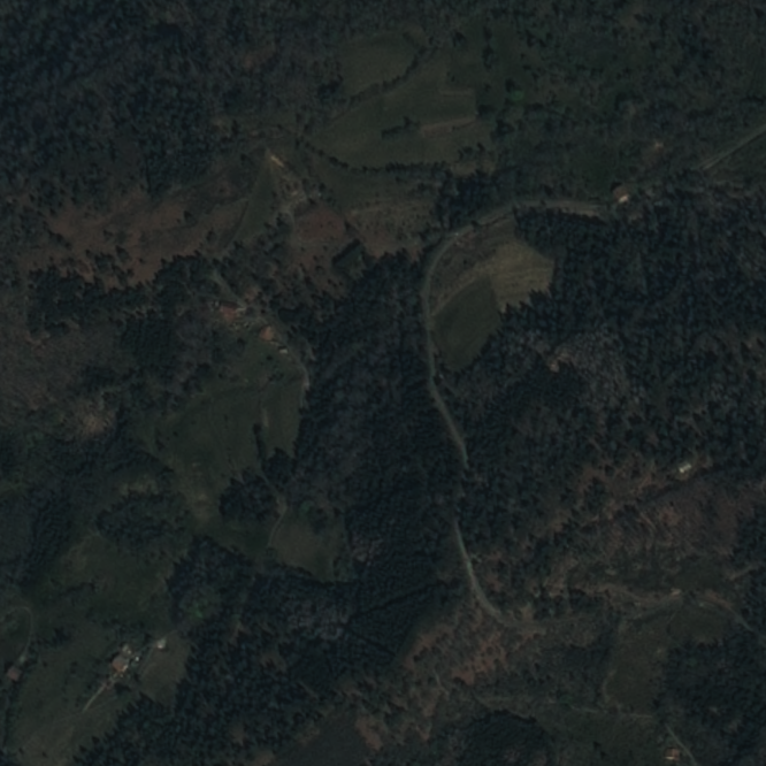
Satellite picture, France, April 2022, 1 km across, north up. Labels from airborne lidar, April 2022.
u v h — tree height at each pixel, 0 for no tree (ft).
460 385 54
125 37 93
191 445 0
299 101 40
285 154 0
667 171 38
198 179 47
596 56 0
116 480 60
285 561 0
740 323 77
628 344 23
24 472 73
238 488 58
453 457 52
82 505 66
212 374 84
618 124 48
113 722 0
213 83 44
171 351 70
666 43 23
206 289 55
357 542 74
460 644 42
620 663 0
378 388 21
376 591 76
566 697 76
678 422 40
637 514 68
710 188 85
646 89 32
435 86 0
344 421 68
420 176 52
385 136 31
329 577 0
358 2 47
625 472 24
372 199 0
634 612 72
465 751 83
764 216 39
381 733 58
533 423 47
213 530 0
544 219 42
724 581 65
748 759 85
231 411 0
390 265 30
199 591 106
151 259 0
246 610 29
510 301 0
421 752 53
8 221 46
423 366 52
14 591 63
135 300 55
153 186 51
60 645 35
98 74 90
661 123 73
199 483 0
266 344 0
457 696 50
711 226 45
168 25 0
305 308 54
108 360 98
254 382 0
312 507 76
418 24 46
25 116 48
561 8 36
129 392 73
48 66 31
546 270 0
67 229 0
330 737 0
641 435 40
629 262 30
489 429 79
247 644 58
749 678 81
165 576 0
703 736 34
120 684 0
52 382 84
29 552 66
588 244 68
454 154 0
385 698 30
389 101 0
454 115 0
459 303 0
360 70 0
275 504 67
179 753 24
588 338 78
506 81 0
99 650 0
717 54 37
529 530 20
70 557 0
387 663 73
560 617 52
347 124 0
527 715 61
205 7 61
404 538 70
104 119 53
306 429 55
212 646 52
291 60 71
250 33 70
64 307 65
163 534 57
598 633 53
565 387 52
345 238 0
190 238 0
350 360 68
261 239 0
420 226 0
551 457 52
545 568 23
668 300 81
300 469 69
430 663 43
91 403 70
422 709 21
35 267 22
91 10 77
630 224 49
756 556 47
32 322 68
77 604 35
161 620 0
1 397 73
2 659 0
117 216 0
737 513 55
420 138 0
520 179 65
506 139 69
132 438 75
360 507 27
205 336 72
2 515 78
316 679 29
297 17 19
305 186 36
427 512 61
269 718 44
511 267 0
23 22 21
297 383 0
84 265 31
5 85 63
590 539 78
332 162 29
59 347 72
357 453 63
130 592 0
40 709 0
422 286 20
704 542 88
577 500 21
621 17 24
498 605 29
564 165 39
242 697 40
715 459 64
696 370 55
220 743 36
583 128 25
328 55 87
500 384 40
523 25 44
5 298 39
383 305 49
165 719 47
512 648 18
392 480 31
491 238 0
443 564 87
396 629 75
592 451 45
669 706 74
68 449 85
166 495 39
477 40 0
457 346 0
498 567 19
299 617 82
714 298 47
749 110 50
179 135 42
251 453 0
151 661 0
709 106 0
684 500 67
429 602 67
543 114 65
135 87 77
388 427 44
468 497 32
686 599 0
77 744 0
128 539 56
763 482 70
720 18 22
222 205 0
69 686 33
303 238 0
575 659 79
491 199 66
